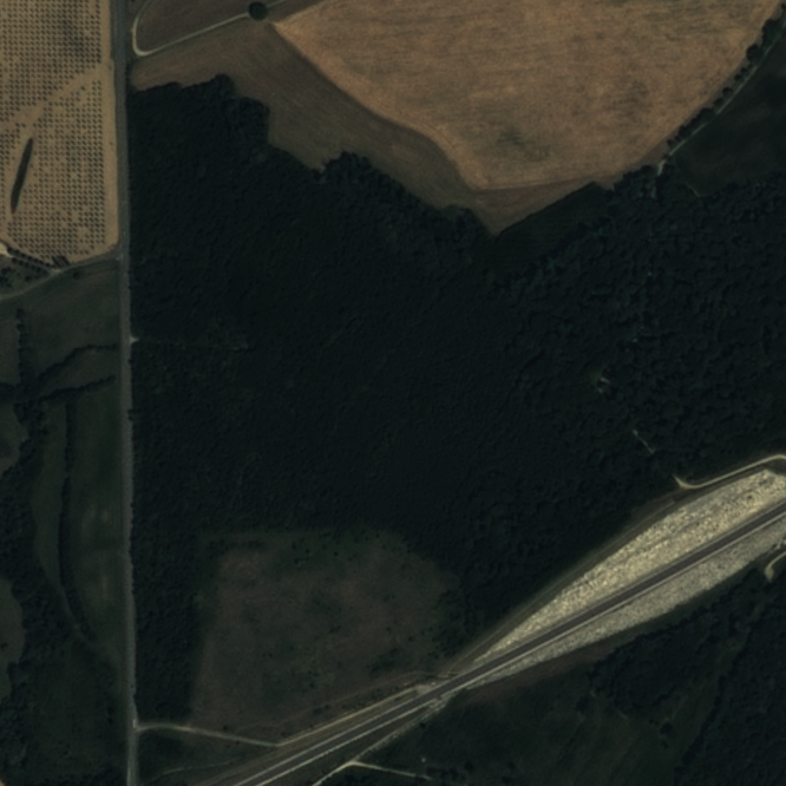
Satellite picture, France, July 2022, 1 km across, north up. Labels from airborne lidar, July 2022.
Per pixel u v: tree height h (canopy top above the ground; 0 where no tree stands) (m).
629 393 26
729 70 0
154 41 0
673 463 29
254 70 0
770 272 26
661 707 27
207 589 0
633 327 24
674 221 26
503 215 0
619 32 0
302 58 0
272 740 0
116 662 0
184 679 8
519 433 10
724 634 25
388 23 0
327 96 0
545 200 0
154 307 12
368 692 0
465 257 23
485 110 0
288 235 12
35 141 0
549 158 0
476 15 0
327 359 11
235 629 0
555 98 0
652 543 0
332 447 11
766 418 11
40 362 0
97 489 0
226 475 11
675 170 18
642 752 0
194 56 0
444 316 11
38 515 0
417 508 13
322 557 0
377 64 0
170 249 9
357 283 13
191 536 10
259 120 7
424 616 0
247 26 0
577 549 12
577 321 32
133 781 0
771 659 26
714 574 0
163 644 14
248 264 9
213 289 9
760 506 0
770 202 27
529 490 15
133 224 7
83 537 0
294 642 0
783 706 19
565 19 0
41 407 18
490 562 16
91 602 0
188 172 12
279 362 8
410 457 12
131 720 0
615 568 0
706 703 0
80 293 0
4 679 0
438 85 0
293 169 11
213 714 0
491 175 0
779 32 18
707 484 0
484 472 14
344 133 0
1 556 20
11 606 0
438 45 0
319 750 0
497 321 9
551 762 0
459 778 23
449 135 0
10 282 15
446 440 8
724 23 0
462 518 16
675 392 23
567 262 26
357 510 11
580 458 14
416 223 20
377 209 25
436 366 10
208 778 0
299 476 9
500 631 0
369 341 9
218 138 15
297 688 0
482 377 11
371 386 13
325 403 11
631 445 8
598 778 0
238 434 12
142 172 8
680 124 0
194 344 11
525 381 15
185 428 13
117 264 0
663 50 0
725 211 30
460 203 0
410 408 11
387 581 0
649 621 0
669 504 0
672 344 29
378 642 0
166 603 9
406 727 0
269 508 15
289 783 0
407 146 0
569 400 26
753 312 29
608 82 0
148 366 11
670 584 0
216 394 13
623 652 12
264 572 0
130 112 8
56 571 0
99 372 0
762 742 24
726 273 28
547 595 0
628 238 23
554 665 0
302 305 9
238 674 0
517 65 0
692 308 28
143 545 12
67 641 12
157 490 9
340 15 0
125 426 0
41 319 0
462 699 0
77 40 7
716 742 23
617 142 0
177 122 14
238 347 12
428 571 0
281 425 11
